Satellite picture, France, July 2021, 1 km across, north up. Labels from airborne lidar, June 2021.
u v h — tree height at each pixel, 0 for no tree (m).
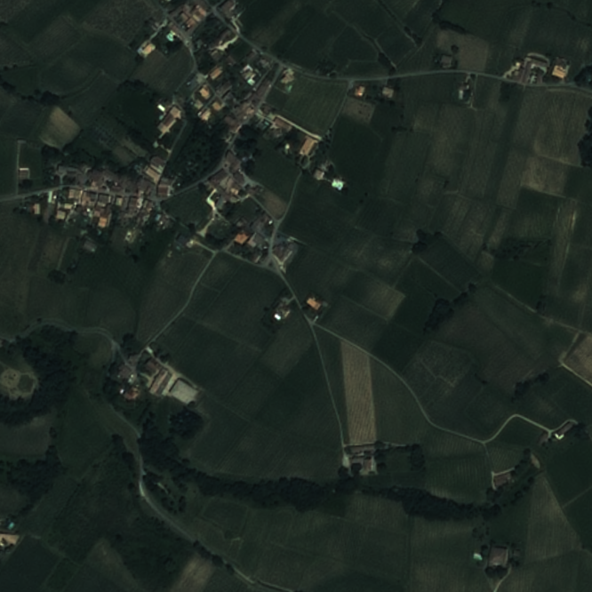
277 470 0
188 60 0
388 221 0
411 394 0
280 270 0
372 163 0
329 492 11
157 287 0
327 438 0
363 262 0
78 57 0
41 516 0
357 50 0
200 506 0
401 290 0
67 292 0
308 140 0
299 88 0
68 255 0
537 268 0
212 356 0
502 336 0
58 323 0
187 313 0
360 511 0
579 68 0
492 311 0
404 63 0
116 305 0
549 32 0
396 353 0
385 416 0
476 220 0
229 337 0
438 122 0
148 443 21
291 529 0
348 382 0
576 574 0
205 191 14
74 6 0
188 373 0
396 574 0
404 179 0
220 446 0
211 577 0
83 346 0
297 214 0
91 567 0
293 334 0
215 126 7
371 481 0
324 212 0
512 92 0
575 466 0
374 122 0
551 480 0
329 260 0
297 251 0
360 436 0
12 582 0
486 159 0
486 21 0
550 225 0
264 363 0
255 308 0
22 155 0
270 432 0
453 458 0
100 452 0
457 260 0
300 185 0
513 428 0
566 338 0
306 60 0
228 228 0
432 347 0
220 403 0
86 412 0
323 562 0
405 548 0
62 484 0
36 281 0
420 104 0
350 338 0
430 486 0
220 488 18
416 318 0
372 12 0
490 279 0
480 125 0
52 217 9
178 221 7
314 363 0
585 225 0
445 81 0
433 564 0
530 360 0
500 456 0
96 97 0
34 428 0
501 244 0
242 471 0
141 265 0
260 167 0
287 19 0
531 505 0
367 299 0
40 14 0
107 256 0
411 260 0
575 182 0
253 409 0
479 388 0
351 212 0
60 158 10
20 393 0
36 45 0
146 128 0
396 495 17
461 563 0
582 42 0
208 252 0
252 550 0
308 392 0
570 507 0
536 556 0
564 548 0
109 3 0
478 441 0
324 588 0
